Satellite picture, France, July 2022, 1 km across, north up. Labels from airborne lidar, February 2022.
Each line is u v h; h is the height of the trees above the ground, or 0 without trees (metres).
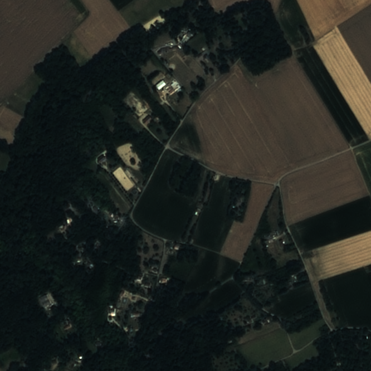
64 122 18
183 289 17
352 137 0
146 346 23
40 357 23
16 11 0
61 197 21
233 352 11
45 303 0
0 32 0
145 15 0
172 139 0
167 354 23
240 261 0
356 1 0
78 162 19
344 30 0
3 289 24
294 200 0
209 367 18
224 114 0
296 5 0
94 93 15
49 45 0
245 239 0
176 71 0
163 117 7
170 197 0
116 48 20
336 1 0
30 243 21
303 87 0
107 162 0
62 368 18
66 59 14
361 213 0
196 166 20
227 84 0
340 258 0
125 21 0
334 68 0
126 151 0
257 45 14
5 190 24
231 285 0
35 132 28
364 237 0
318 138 0
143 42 22
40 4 0
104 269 8
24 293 27
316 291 0
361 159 0
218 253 0
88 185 16
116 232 16
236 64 0
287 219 0
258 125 0
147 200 0
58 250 15
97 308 8
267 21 22
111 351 23
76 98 21
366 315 0
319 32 0
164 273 6
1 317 23
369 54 0
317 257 0
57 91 23
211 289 0
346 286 0
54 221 21
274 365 18
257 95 0
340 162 0
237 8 22
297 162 0
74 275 25
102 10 0
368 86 0
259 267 7
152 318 23
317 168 0
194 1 24
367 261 0
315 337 0
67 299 25
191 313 0
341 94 0
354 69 0
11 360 0
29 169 30
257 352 0
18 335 20
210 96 0
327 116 0
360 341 11
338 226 0
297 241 0
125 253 17
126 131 13
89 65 18
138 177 0
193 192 10
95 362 18
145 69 0
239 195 12
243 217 7
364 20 0
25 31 0
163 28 18
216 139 0
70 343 19
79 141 15
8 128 0
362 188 0
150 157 9
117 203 0
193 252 18
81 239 16
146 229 0
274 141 0
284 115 0
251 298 13
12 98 0
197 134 0
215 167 0
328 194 0
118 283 9
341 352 14
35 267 28
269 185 0
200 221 0
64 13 0
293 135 0
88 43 0
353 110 0
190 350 17
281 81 0
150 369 22
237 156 0
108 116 0
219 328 22
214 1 0
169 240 0
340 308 0
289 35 0
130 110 9
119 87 23
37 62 0
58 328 0
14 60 0
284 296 0
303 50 0
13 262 29
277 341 0
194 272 0
